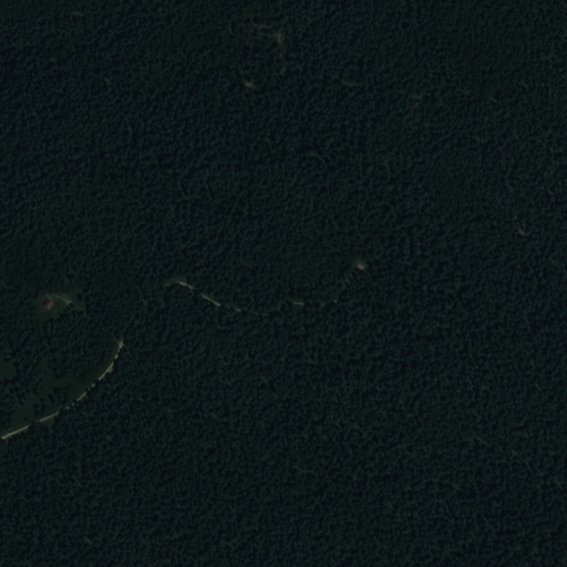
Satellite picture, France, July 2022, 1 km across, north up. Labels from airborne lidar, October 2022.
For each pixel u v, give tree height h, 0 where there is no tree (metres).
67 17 16
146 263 14
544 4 22
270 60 10
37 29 28
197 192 27
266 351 21
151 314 15
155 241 31
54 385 0
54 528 7
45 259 20
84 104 34
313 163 30
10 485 18
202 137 26
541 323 25
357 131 33
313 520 18
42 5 26
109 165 23
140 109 25
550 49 19
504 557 17
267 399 19
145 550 18
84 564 21
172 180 27
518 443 9
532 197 16
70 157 29
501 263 33
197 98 26
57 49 15
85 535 14
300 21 27
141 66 16
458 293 7
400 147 23
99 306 12
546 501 25
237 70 11
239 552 17
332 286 24
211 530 24
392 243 20
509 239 24
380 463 11
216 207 11
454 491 29
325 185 24
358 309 27
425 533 25
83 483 11
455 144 16
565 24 28
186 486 17
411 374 24
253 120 21
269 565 9
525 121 15
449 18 20
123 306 19
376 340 24
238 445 22
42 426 11
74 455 8
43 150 32
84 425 14
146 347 20
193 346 14
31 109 31
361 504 25
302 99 24
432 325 23
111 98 28
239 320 23
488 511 27
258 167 25
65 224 17
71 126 21
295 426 26
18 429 0
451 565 24
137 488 20
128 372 14
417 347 20
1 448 14
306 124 18
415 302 27
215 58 35
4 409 12
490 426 21
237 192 15
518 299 26
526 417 19
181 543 20
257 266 20
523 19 16
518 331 24
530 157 22
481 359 24
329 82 28
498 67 21
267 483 24
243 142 17
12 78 18
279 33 9
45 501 30
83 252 19
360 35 26
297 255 16
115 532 21
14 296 15
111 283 18
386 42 28
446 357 21
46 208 11
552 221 26
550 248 14
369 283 9
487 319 25
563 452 21
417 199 18
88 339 17
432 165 26
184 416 22
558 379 24
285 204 18
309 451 23
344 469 28
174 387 9
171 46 8
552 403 16
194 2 24
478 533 21
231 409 25
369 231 17
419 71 22
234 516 27
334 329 7
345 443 25
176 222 25
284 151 13
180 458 23
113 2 21
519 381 17
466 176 23
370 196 11
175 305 14
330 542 24
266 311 12
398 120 20
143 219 23
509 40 23
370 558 20
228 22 9
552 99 17
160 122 23
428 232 21
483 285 28
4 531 26
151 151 35
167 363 20
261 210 21
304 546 21
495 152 20
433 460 14
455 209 22
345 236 17
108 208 10
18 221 20
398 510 20
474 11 23
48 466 16
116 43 30
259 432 19
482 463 21
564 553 21
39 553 25
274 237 15
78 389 0
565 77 21
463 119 22
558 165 19
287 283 22
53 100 31
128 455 21
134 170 25
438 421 14
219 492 17
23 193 24
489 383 21
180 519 23
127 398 14
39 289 18
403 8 27
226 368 21
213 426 21
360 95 32
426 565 11
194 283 20
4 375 0
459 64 17
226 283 20
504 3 10
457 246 30
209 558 8
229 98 31
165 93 9
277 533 19
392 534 24
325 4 28
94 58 16
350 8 26
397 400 19
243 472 11
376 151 22
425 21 29
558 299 17
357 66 17
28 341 21
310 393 24
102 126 21
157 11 19
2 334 27
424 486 24
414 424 20
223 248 20
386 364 31
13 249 16
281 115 32
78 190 16
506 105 21
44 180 29
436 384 14
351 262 11
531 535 12
